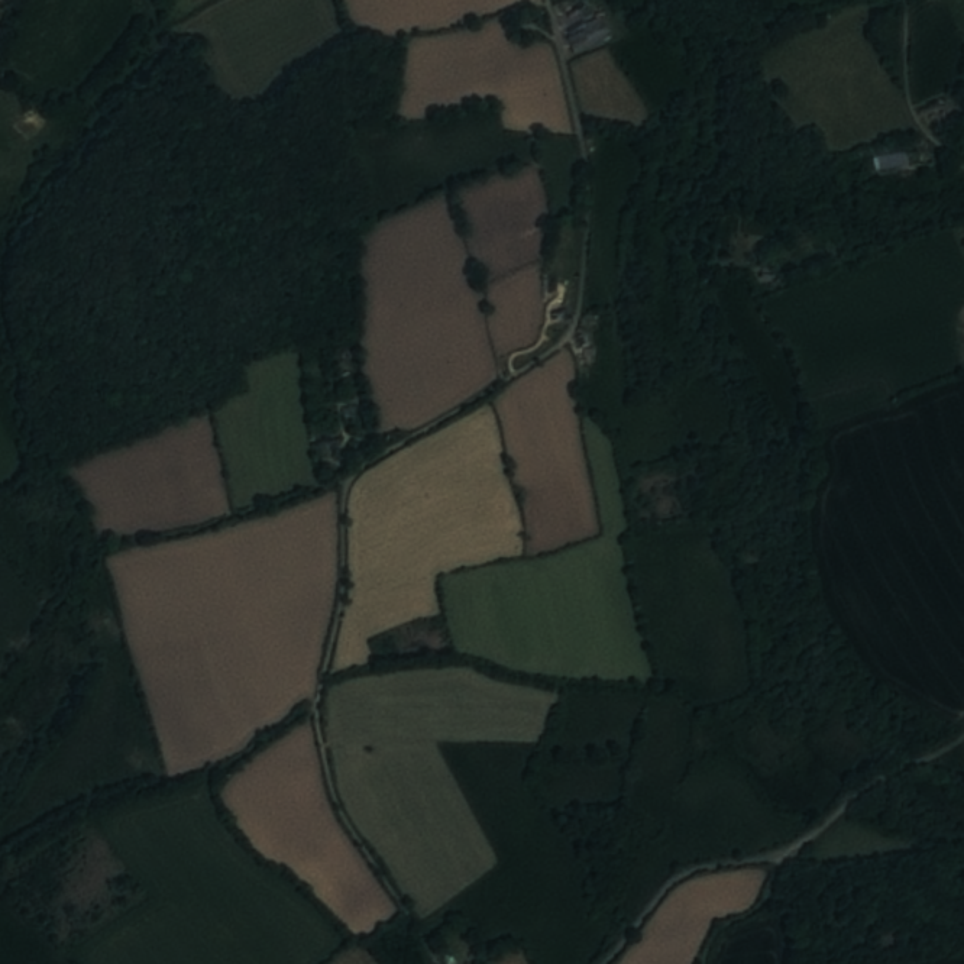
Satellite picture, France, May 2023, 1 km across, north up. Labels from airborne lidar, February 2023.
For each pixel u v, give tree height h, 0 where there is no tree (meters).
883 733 7
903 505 0
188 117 22
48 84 0
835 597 0
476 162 0
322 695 8
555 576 0
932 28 0
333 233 15
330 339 16
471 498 0
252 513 6
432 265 0
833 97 0
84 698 20
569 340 0
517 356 0
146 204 20
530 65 0
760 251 16
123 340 16
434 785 0
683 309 9
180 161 24
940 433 0
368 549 0
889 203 7
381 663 18
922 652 0
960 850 16
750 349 0
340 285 16
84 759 0
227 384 17
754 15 19
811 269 20
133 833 0
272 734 11
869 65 0
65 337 17
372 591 0
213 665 0
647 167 20
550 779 0
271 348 17
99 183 18
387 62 23
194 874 0
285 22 0
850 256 9
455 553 0
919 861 19
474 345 0
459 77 0
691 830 0
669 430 0
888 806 10
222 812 11
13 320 18
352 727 0
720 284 15
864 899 12
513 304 0
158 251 18
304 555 0
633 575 10
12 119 0
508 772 0
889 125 0
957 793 21
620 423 0
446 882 0
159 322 15
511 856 0
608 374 0
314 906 10
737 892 0
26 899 6
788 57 0
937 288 0
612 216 0
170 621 0
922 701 0
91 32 0
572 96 0
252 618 0
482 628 0
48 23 0
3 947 0
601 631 0
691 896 0
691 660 0
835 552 0
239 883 0
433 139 0
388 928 8
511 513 0
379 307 0
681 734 0
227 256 16
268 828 0
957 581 0
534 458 0
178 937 0
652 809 0
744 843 0
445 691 0
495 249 0
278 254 17
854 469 0
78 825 16
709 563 0
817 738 0
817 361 0
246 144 24
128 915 0
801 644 6
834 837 0
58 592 7
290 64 0
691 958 0
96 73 17
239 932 0
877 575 0
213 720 0
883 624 0
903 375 0
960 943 16
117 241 21
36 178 10
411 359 0
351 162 19
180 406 14
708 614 0
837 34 0
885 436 0
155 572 0
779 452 20
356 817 0
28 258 19
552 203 8
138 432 17
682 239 15
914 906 18
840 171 9
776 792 0
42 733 7
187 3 0
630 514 11
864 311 0
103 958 0
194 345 17
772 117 12
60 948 7
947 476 0
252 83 0
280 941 0
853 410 0
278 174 22
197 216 15
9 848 10
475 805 0
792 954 15
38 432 19
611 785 0
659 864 0
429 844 0
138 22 15
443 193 8
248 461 0
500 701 0
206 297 15
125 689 0
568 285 0
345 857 0
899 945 12
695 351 7
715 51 15
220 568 0
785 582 7
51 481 8
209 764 7
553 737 11
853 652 6
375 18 0
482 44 0
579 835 14
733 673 0
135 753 0
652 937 0
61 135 0
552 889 0
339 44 16
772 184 16
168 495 0
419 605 0
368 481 0
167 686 0
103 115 13
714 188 14
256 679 0
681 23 20
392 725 0
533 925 0
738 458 9
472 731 0
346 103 21
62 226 18
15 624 0
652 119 7
